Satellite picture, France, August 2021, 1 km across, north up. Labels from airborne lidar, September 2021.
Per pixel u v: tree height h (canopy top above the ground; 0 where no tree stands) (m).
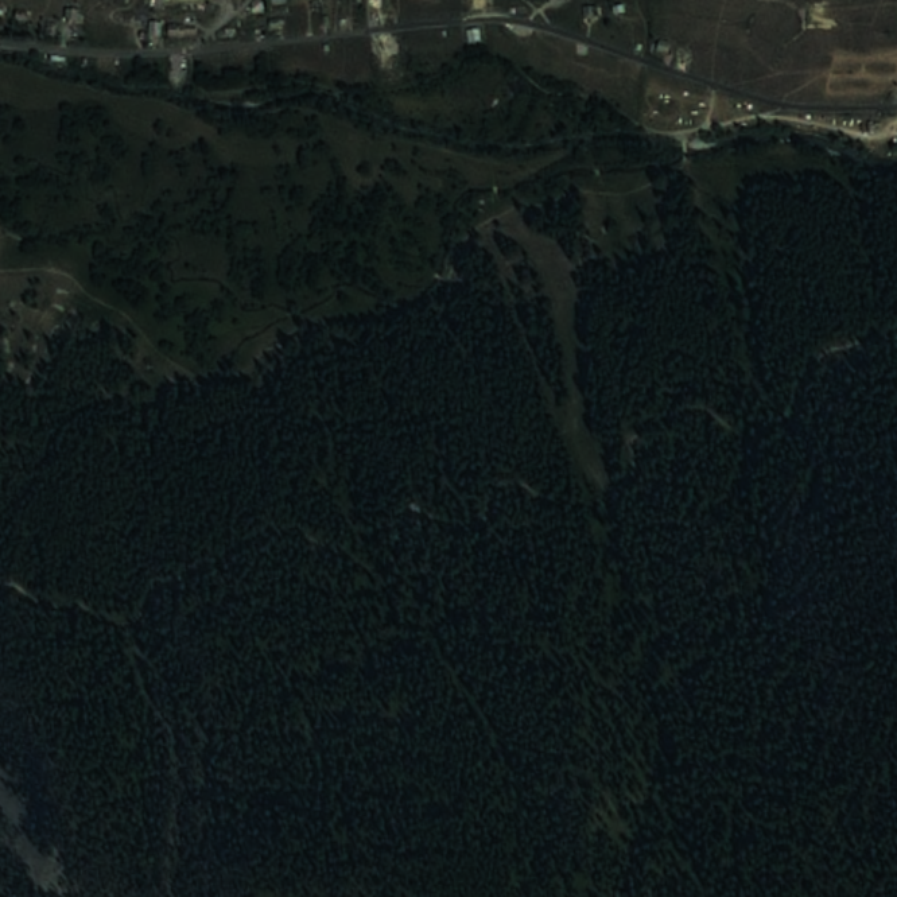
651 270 28
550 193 8
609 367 18
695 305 26
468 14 0
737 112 0
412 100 0
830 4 0
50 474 26
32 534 23
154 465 29
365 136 0
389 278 0
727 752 25
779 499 17
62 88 0
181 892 6
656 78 0
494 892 21
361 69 0
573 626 19
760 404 36
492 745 25
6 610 13
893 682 8
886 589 14
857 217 30
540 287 10
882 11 0
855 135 0
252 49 0
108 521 23
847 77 0
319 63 0
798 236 26
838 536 17
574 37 0
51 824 9
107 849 10
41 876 0
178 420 26
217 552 19
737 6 0
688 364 27
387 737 18
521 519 19
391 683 19
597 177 0
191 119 0
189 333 9
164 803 13
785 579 17
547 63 0
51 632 18
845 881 22
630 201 0
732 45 0
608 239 0
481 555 18
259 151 0
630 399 9
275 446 25
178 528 18
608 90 0
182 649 15
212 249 0
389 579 24
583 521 21
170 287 9
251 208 0
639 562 27
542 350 22
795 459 23
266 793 9
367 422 17
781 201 25
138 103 0
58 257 0
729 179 0
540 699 21
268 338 0
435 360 23
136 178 0
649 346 19
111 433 26
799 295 21
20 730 6
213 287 0
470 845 21
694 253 20
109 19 0
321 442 26
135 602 22
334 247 7
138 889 11
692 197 17
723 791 24
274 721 17
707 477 24
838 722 17
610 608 26
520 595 18
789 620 16
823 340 19
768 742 19
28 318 0
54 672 18
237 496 12
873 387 18
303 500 26
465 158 0
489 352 26
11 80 0
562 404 10
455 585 21
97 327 0
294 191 9
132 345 25
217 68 0
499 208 0
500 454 12
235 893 13
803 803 20
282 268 8
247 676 22
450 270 0
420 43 0
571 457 15
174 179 0
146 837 17
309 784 17
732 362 28
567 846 16
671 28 0
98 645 23
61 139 7
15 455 18
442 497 20
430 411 24
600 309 21
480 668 21
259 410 22
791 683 9
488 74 0
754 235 23
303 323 22
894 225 23
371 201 15
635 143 18
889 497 16
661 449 21
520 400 22
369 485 15
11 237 0
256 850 16
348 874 20
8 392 22
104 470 26
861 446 17
